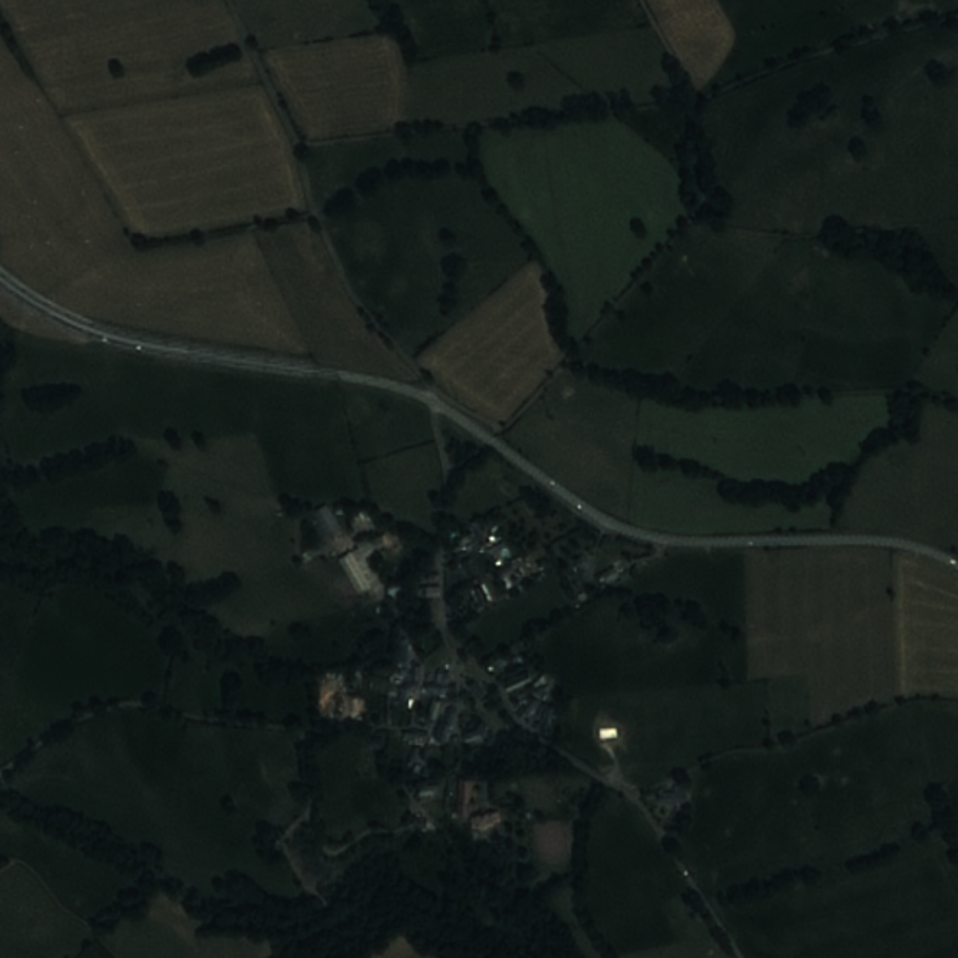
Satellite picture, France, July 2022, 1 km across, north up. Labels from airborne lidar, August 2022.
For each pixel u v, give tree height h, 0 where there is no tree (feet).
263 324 0
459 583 21
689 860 0
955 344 0
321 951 77
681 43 0
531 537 20
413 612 53
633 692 0
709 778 0
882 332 0
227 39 0
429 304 0
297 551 0
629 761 0
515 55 0
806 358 0
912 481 0
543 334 0
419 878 0
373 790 0
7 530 60
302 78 0
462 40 0
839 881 0
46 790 0
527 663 28
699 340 0
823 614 0
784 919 0
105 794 0
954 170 0
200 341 0
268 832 58
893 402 23
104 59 0
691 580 0
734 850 0
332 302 0
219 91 0
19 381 0
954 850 39
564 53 0
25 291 0
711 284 0
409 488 0
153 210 0
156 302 0
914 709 0
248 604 0
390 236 0
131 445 45
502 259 0
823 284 0
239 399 0
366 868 70
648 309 0
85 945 34
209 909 72
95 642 0
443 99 0
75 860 0
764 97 0
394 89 0
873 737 0
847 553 0
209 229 0
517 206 0
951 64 0
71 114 0
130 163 0
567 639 0
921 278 60
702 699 0
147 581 74
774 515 0
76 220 0
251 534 0
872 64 0
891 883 0
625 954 0
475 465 53
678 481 0
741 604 0
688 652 0
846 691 0
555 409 0
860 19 0
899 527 0
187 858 0
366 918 34
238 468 0
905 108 0
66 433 0
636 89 0
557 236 0
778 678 0
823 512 0
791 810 0
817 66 0
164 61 0
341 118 0
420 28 0
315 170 0
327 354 0
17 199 0
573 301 0
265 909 72
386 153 0
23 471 49
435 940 47
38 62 0
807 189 0
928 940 0
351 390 0
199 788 0
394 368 0
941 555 0
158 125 0
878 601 0
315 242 0
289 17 0
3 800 47
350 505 52
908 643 0
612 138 0
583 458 0
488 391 0
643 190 0
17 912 0
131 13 0
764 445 0
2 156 0
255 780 0
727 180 0
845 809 0
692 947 0
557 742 50
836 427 0
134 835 0
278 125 0
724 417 0
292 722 51
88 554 65
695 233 0
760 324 0
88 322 0
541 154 0
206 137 0
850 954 0
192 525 0
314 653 0
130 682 0
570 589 51
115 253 0
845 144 0
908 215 0
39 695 0
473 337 0
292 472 0
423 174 57
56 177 0
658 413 0
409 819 26
